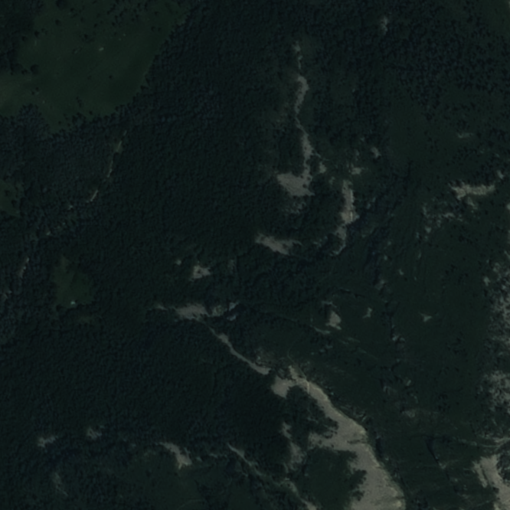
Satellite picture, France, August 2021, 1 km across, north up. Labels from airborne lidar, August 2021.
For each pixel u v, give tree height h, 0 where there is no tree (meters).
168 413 7
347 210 0
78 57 0
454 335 0
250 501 0
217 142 18
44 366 18
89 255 18
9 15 13
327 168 0
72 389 17
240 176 8
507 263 0
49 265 11
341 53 11
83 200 17
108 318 19
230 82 14
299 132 8
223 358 10
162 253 12
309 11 12
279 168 6
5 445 13
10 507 9
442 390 0
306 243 8
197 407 13
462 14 0
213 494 8
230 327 10
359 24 11
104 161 10
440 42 7
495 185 0
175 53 8
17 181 7
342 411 0
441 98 13
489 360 0
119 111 9
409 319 0
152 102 8
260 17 16
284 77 14
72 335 17
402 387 0
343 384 0
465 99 0
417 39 8
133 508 9
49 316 18
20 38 12
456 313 0
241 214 16
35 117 8
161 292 14
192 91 13
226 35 10
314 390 0
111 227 11
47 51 0
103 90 0
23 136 10
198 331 15
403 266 0
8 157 20
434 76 7
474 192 0
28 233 15
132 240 16
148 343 9
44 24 0
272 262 12
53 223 19
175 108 20
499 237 0
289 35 9
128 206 13
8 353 17
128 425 6
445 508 0
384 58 7
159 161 15
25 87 0
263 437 9
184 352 9
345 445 0
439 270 0
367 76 9
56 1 0
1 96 0
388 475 0
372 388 0
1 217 18
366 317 0
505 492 0
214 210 16
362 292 0
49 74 0
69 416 10
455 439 0
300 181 0
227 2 19
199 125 13
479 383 0
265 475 0
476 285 0
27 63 0
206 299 12
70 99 0
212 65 14
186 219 12
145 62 0
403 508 0
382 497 0
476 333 0
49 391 15
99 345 20
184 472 0
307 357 0
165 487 0
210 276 7
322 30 15
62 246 16
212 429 11
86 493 7
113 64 0
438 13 10
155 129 14
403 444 0
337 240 9
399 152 0
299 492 0
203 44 20
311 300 7
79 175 9
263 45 9
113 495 10
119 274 17
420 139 0
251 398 10
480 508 0
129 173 15
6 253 17
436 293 0
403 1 7
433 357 0
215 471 0
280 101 7
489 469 0
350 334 0
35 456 6
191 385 12
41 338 20
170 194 16
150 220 21
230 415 8
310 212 11
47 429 12
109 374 18
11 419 13
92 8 0
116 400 19
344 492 0
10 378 17
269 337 0
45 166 13
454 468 0
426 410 0
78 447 11
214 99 13
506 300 0
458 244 0
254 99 11
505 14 0
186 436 13
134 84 0
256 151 9
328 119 14
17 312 31
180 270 10
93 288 6
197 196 18
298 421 7
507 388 0
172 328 13
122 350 16
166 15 0
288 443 8
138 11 9
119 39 0
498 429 0
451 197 0
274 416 9
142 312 14
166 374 10
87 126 14
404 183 7
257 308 6
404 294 0
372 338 0
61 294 0
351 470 0
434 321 0
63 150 16
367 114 11
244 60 11
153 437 8
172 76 12
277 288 10
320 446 0
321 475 0
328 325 0
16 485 12
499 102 0
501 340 0
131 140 12
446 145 0
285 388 0
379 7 11
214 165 17
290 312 7
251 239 9
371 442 0
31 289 16
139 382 10
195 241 7
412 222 0
